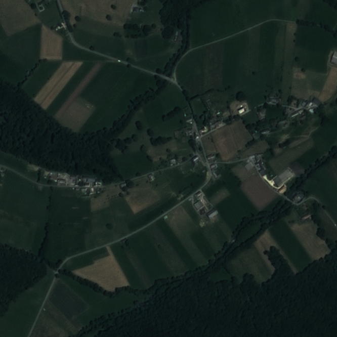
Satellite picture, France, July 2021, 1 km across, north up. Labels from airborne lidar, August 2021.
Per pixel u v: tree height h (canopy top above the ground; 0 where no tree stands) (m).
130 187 22
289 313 20
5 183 0
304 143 0
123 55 0
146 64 0
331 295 32
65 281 0
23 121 30
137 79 0
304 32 0
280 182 0
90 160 20
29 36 0
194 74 0
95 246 0
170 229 0
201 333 28
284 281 30
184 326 25
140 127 19
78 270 0
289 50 0
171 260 0
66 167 11
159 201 0
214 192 0
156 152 0
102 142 29
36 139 35
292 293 21
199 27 0
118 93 0
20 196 0
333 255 27
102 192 6
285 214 12
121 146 29
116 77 0
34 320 0
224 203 0
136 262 0
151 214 0
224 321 25
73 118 0
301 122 10
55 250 0
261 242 0
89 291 0
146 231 0
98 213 0
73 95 0
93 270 0
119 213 0
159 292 21
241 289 24
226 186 0
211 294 23
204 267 13
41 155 22
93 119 0
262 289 20
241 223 10
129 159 0
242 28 0
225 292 21
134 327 18
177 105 0
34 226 0
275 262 21
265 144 0
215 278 0
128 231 0
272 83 0
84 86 0
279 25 0
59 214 0
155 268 0
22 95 16
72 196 0
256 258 0
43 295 0
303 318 24
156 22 0
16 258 22
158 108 0
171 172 0
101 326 7
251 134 6
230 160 0
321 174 0
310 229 0
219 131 0
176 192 0
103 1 0
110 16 13
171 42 0
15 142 31
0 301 24
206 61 0
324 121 19
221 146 0
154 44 0
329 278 21
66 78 0
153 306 23
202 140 0
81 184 10
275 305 23
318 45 0
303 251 0
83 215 0
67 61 0
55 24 0
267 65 0
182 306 24
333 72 0
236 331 19
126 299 0
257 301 21
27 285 27
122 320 21
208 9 0
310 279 16
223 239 0
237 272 0
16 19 0
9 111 25
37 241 0
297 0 0
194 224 0
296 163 0
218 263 18
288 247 0
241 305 25
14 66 0
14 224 0
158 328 26
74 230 0
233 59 0
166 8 22
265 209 0
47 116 15
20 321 0
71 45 0
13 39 0
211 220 0
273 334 27
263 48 0
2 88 17
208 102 0
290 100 17
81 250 0
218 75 0
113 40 0
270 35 0
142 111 0
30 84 0
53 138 8
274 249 20
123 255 0
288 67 0
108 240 0
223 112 0
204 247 0
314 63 0
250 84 0
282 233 0
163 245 0
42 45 0
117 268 0
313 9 0
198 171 0
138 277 0
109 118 0
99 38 0
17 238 0
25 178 0
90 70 0
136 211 0
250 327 27
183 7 22
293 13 0
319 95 0
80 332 7
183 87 9
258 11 0
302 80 0
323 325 21
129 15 0
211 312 25
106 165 9
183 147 0
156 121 0
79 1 0
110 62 0
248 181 0
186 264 0
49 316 0
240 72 0
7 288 27
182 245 0
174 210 0
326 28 27
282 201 9
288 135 0
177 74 0
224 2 0
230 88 6
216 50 0
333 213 0
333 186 0
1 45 0
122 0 0
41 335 0
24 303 0
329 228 0
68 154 30
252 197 0
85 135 18
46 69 0
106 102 0
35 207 0
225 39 0
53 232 0
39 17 0
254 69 0
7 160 0
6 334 0
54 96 0
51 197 12
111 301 0
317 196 0
